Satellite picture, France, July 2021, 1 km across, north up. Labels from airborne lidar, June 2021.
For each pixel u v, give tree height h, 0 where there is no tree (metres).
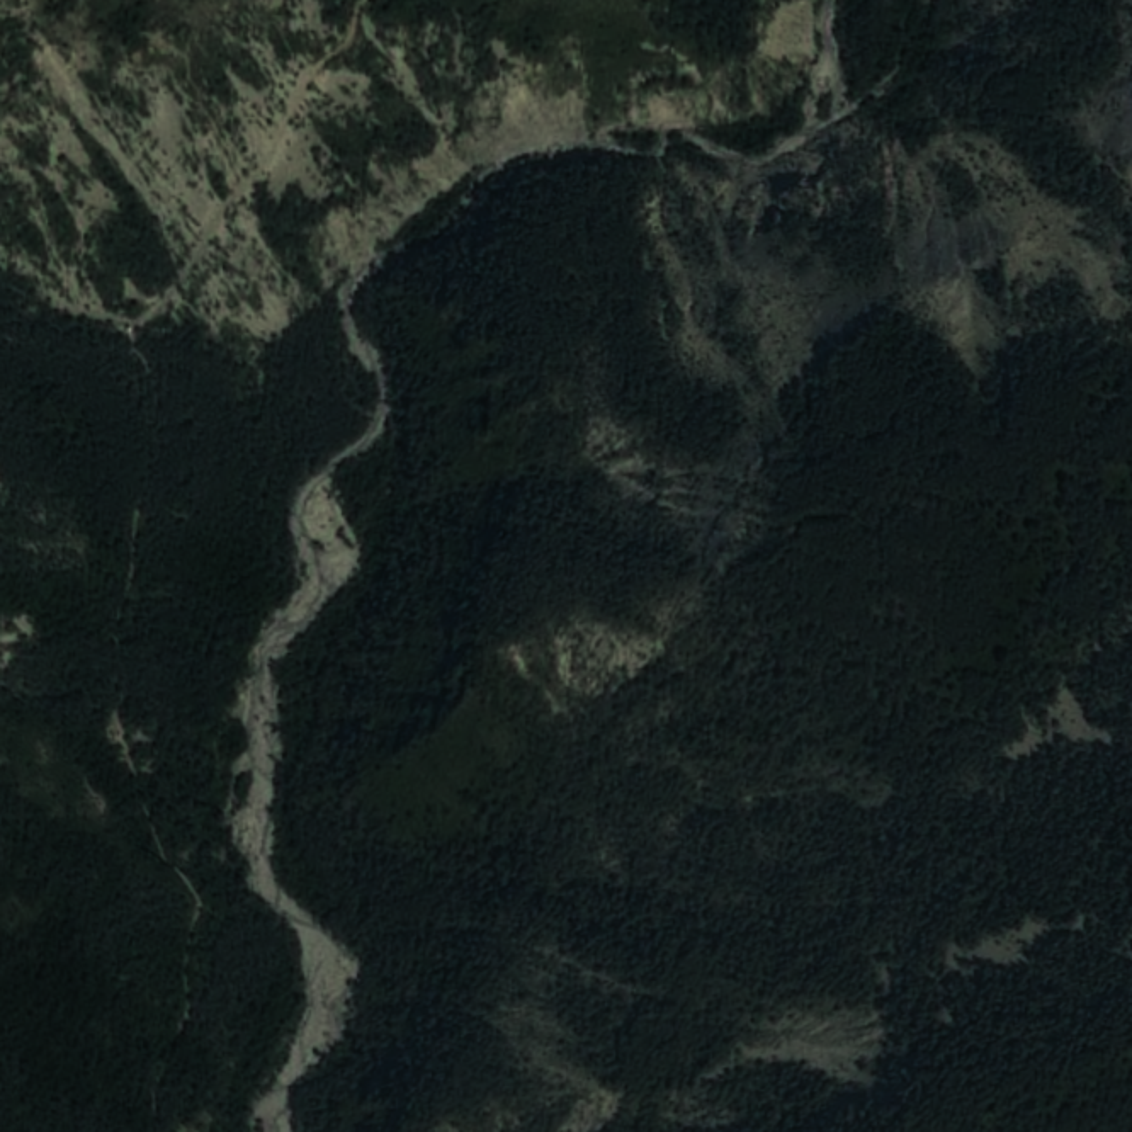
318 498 0
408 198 0
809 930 13
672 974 13
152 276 9
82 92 0
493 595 16
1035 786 10
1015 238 0
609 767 12
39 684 11
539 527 13
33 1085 14
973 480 23
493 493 10
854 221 6
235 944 19
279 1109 0
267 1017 11
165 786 7
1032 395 23
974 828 9
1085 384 15
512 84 0
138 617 11
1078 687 12
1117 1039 7
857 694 15
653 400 8
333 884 14
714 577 7
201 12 0
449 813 8
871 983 10
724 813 11
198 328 14
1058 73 10
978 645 7
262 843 0
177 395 14
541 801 12
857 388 17
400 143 9
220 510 11
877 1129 17
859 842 18
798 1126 12
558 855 12
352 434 11
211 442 16
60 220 8
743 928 12
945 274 0
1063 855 13
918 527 14
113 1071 7
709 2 10
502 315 18
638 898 12
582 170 14
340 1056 12
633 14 0
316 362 13
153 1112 7
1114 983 7
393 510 7
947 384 16
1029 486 22
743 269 0
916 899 13
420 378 10
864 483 21
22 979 9
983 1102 12
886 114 12
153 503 12
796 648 14
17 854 9
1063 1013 13
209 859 19
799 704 10
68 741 14
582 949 11
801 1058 0
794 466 11
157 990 10
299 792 16
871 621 15
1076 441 14
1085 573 17
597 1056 8
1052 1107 6
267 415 12
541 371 8
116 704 14
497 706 6
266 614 8
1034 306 7
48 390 9
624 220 12
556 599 6
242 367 7
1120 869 18
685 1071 11
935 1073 18
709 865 8
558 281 13
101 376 8
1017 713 14
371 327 10
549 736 6
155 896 9
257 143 0
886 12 16
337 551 0
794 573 15
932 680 12
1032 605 12
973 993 15
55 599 7
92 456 12
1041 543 8
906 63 8
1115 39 14
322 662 7
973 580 7
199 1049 15
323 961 0
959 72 13
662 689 11
